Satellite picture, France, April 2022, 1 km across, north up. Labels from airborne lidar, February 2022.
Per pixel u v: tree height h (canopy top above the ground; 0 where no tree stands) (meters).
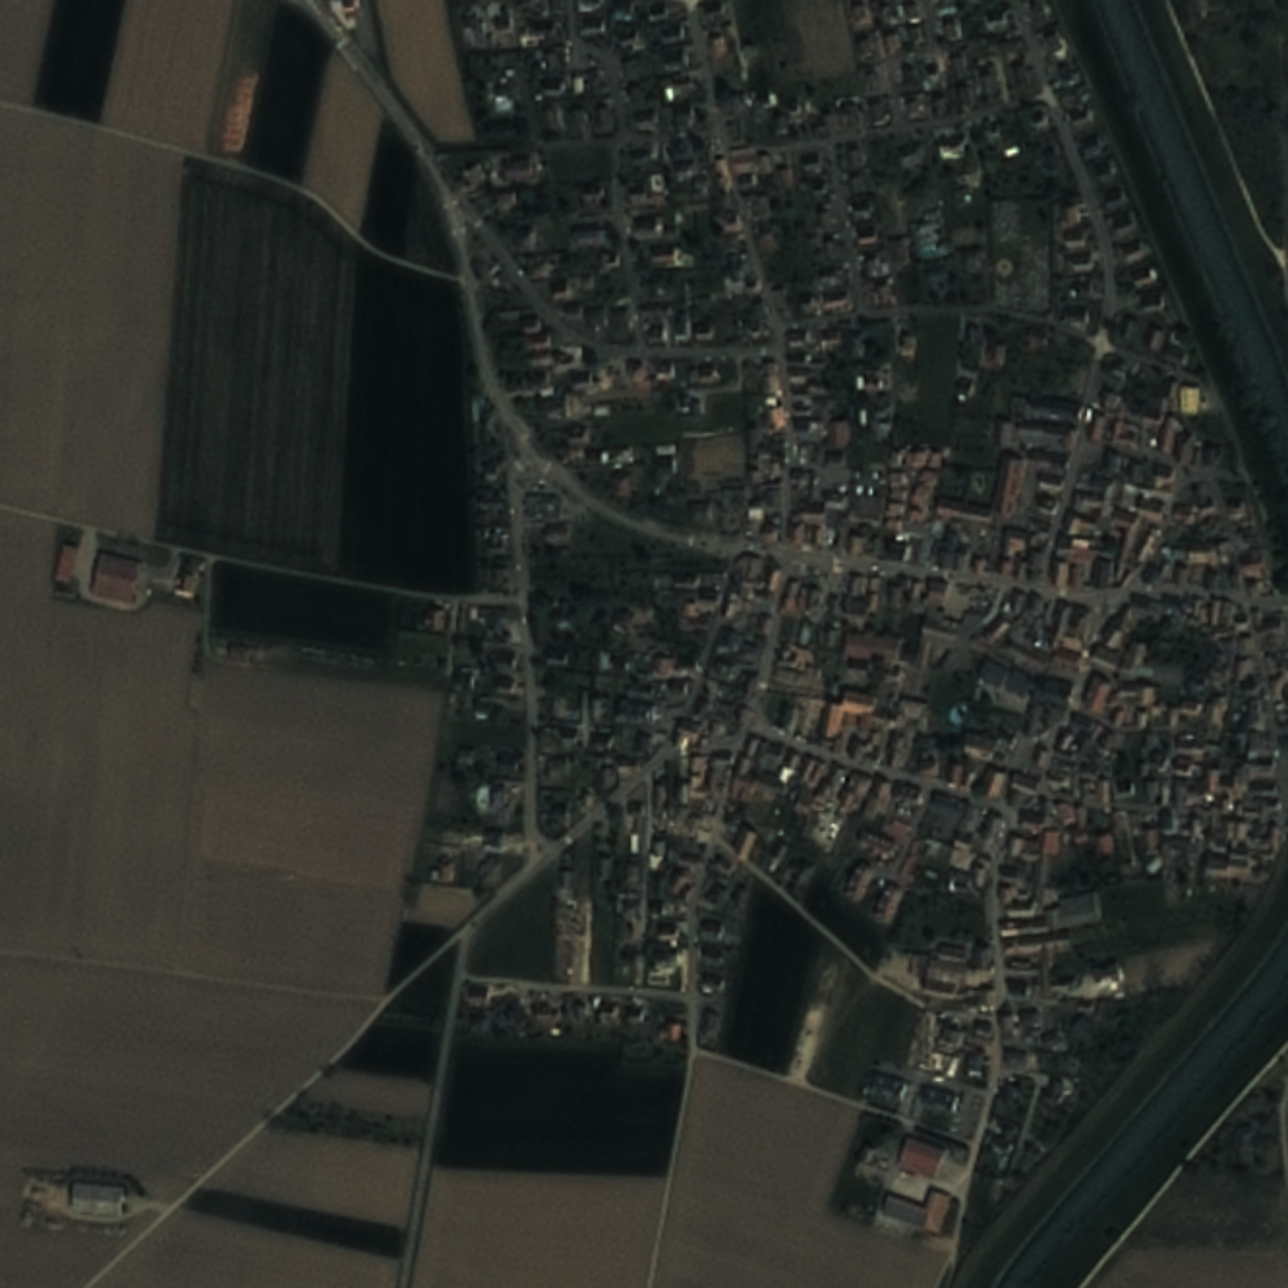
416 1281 0
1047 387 10
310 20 0
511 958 0
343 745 0
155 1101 0
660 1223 0
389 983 0
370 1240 0
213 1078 0
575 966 0
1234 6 9
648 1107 0
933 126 0
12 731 0
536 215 11
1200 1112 0
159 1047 0
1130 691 0
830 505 0
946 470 10
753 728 0
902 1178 0
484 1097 0
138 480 0
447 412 0
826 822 0
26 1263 0
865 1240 0
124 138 0
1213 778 0
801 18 0
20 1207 0
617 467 0
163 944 0
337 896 0
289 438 0
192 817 0
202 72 0
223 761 0
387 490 0
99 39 0
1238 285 0
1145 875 6
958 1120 0
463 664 0
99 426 0
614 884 9
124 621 0
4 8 0
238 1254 0
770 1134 0
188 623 0
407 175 0
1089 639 0
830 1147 0
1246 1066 0
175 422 0
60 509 0
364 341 0
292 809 0
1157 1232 0
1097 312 0
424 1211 0
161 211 0
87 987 0
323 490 0
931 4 0
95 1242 0
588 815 0
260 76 0
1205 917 0
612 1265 0
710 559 0
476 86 13
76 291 0
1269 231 0
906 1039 0
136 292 0
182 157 0
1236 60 0
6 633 0
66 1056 0
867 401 9
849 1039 0
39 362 0
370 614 0
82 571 0
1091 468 0
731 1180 0
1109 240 0
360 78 0
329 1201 0
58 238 0
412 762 0
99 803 0
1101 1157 0
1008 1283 0
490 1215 0
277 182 0
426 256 0
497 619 0
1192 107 0
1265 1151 18
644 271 11
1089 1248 0
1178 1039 0
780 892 0
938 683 0
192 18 0
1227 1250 0
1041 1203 0
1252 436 0
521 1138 0
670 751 0
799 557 0
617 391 0
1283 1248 0
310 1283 0
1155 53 0
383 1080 0
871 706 0
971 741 0
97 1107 0
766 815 0
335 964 0
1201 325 0
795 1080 0
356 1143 0
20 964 0
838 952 0
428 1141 0
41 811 0
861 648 0
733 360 0
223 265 0
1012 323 9
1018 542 0
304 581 0
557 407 0
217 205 0
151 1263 0
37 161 0
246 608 0
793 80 0
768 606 0
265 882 0
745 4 0
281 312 0
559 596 0
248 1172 0
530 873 0
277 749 0
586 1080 0
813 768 0
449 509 0
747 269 0
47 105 0
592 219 0
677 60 0
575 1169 0
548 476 0
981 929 0
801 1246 0
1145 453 0
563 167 0
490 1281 0
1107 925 0
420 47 0
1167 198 0
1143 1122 0
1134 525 0
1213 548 0
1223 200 0
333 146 0
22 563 0
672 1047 0
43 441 0
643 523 0
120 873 0
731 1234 0
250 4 0
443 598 0
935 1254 0
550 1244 0
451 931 0
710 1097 0
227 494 0
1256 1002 0
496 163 0
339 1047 0
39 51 0
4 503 0
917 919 13
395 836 0
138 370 0
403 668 0
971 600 0
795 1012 0
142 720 0
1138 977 0
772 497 0
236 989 0
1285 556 9
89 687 0
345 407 0
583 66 0
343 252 0
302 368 0
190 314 0
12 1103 0
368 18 0
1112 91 0
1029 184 6
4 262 0
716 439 0
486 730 0
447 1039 0
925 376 0
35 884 0
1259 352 0
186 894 0
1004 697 0
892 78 0
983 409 0
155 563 0
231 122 0
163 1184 0
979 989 0
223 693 0
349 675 0
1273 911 0
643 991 0
